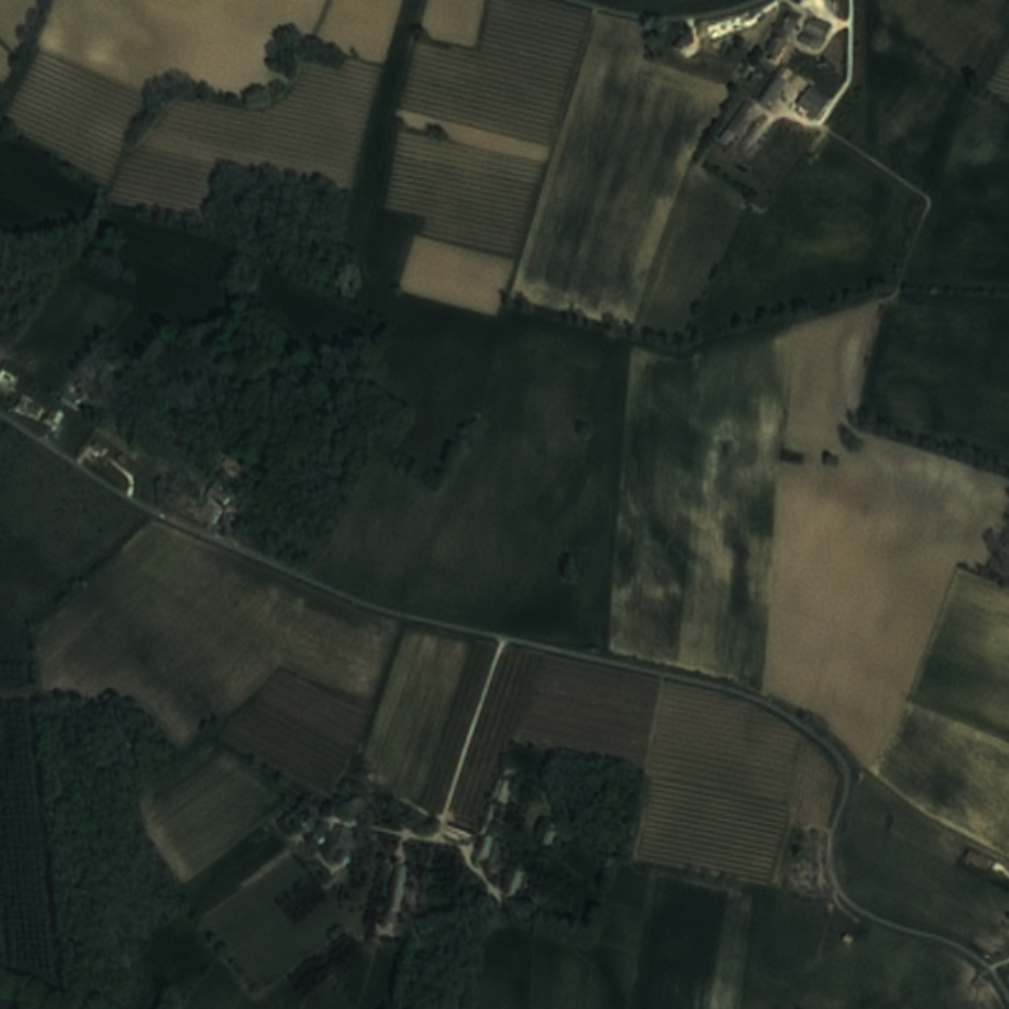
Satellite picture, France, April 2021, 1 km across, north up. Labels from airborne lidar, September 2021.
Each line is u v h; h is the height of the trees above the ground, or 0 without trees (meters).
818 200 0
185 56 0
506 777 6
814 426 0
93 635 0
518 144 0
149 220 15
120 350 17
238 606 0
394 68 0
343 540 0
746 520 0
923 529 0
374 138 0
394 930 0
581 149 0
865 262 0
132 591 0
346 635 0
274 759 0
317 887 7
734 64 0
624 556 0
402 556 0
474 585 0
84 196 0
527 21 0
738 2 0
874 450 0
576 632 0
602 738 0
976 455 15
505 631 0
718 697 0
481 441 0
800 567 0
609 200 0
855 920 0
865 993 0
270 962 0
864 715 0
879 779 0
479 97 0
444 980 15
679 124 0
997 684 0
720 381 0
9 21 0
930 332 0
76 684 0
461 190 0
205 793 0
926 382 0
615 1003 0
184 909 12
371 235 0
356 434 22
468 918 14
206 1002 0
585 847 17
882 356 0
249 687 0
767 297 0
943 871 0
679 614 0
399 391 0
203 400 22
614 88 0
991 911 0
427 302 0
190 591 0
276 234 23
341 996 0
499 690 0
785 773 0
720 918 0
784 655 0
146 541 0
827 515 0
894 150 0
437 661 0
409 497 0
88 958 23
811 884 9
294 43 16
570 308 0
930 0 0
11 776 14
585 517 0
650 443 0
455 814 0
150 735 20
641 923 0
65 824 26
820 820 0
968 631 0
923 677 0
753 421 0
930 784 0
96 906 20
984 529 0
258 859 0
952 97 0
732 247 0
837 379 0
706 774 0
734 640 0
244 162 0
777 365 0
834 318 0
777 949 0
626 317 0
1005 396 0
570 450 0
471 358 0
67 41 0
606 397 0
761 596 0
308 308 0
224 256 0
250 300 16
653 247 0
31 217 0
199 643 0
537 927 18
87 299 0
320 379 7
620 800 19
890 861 0
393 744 0
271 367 21
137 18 0
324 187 18
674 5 0
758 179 0
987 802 0
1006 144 0
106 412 19
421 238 0
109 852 23
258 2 0
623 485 0
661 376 0
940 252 0
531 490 0
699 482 0
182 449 15
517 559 0
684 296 0
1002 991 0
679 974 0
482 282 0
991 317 0
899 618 0
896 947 0
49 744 24
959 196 0
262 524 17
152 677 0
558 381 0
